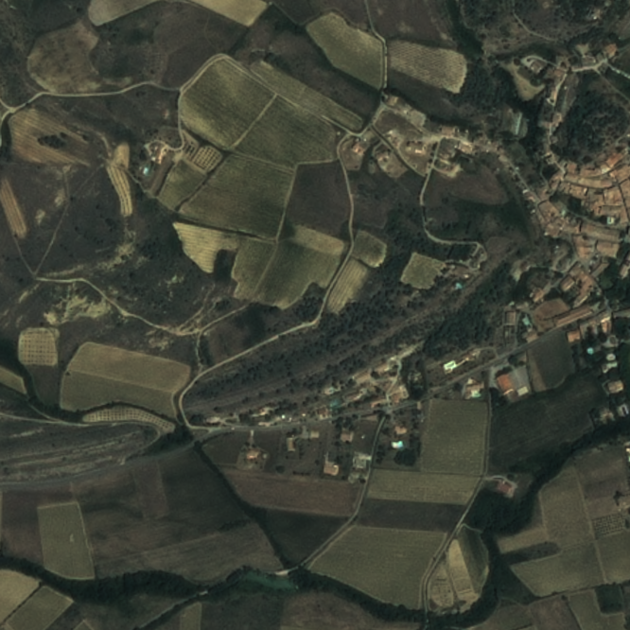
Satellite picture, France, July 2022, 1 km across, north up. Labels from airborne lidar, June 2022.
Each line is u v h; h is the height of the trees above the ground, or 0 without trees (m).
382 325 11
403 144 0
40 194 0
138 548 0
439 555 0
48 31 0
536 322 0
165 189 0
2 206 0
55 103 0
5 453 0
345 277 0
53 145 9
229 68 0
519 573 0
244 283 0
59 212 0
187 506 0
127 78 0
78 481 0
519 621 0
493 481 0
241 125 0
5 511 0
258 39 0
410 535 0
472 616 9
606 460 0
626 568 0
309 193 0
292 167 0
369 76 0
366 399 11
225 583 9
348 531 0
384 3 0
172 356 0
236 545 0
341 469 0
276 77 0
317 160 0
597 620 0
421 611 9
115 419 0
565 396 0
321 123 0
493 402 10
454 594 0
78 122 0
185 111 0
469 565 0
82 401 0
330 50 0
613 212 0
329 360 0
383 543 0
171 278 0
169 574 8
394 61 0
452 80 0
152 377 0
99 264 0
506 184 7
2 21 0
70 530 0
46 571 7
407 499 0
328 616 0
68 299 0
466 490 0
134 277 12
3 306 0
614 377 18
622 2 7
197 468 0
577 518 0
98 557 0
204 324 0
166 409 0
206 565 0
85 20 0
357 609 0
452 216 0
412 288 10
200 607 0
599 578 0
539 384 0
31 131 0
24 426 0
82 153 0
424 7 0
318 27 0
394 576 0
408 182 0
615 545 0
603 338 14
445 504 0
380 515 0
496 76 10
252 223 0
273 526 0
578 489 0
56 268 0
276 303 0
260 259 0
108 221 8
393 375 8
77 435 0
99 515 0
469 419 0
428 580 0
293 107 0
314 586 8
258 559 0
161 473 0
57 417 7
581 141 9
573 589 0
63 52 0
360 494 0
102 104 0
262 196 0
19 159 0
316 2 0
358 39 0
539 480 15
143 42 0
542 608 0
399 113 0
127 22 0
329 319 8
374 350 10
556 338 0
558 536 0
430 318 8
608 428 14
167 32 0
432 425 0
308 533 0
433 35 0
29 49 0
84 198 0
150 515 0
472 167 0
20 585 0
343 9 0
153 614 0
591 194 0
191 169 0
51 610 0
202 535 0
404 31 0
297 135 0
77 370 0
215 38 0
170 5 0
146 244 7
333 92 0
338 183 0
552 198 12
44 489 0
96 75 0
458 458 0
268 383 0
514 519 8
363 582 0
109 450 0
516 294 11
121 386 0
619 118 8
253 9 0
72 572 0
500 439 0
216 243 0
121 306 0
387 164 0
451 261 10
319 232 0
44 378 0
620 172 0
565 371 0
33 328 0
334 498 0
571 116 11
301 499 0
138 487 0
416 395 16
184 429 9
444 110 0
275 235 0
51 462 0
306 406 11
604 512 0
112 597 10
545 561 0
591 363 5
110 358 0
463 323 16
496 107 13
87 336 0
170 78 0
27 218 0
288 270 0
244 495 0
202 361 10
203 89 0
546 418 0
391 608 13
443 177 0
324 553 0
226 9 0
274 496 0
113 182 0
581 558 0
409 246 12
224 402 0
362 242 0
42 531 0
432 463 0
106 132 0
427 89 0
